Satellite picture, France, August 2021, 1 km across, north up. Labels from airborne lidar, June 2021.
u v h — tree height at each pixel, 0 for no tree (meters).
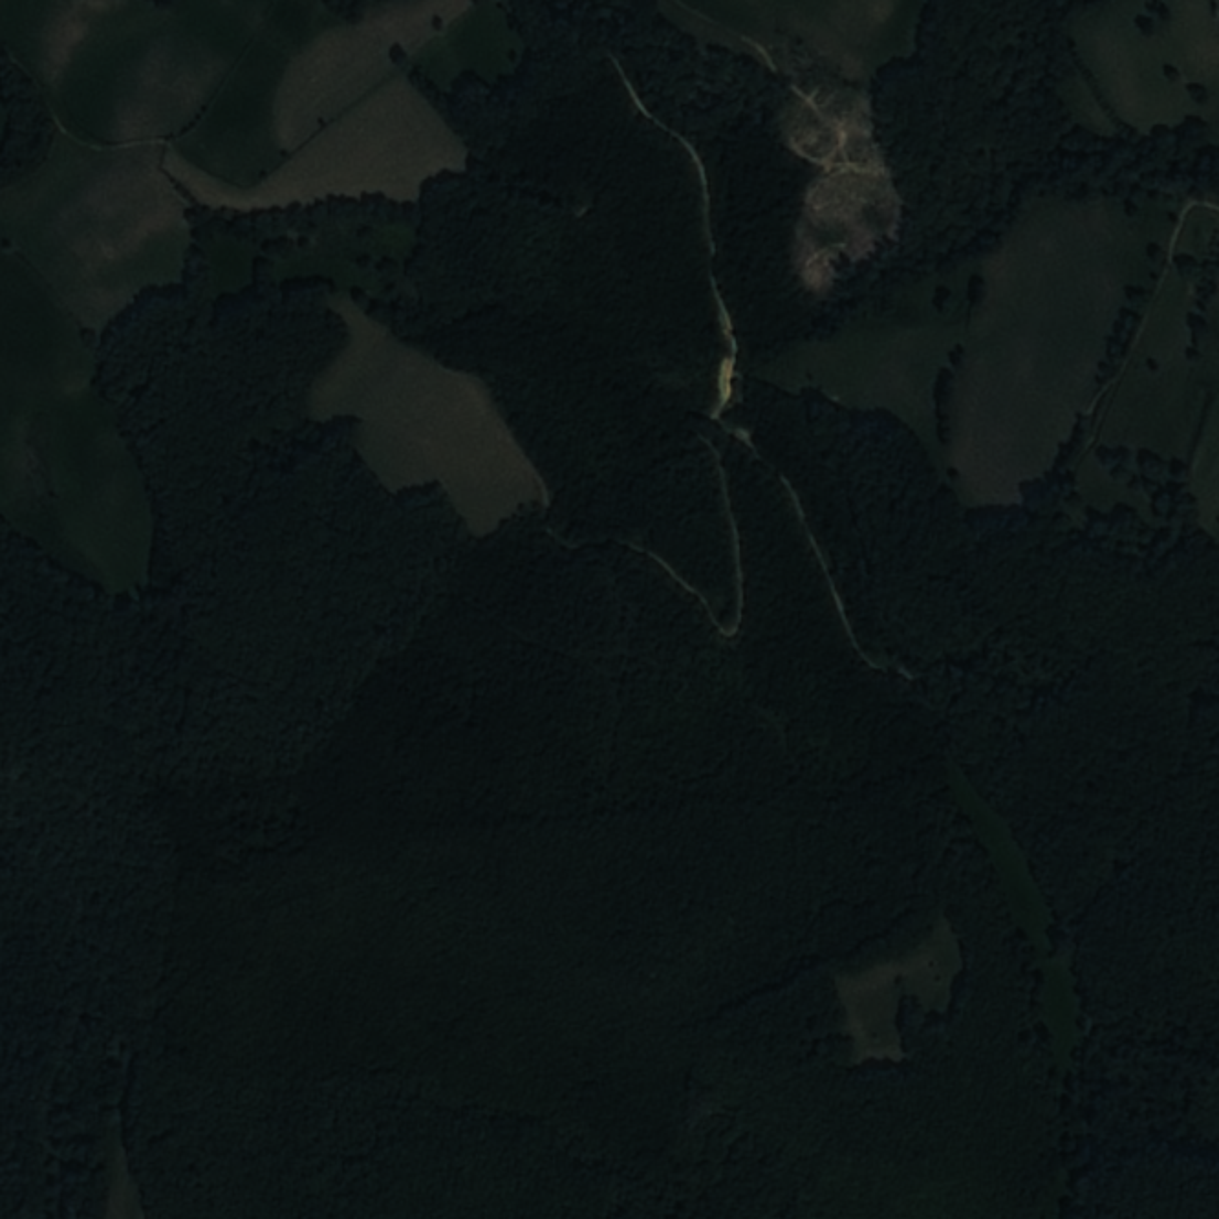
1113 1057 8
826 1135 21
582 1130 23
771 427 13
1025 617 18
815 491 7
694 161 7
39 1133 20
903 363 0
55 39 0
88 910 24
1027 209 9
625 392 14
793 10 0
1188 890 25
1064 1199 0
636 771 7
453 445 0
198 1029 17
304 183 0
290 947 19
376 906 16
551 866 13
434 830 14
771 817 17
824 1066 20
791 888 15
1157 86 0
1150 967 23
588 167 7
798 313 8
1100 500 0
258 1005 17
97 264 0
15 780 25
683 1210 23
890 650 10
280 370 21
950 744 24
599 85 13
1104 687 32
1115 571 28
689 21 0
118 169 0
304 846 8
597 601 7
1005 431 0
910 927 28
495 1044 19
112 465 0
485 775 8
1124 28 0
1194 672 30
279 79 0
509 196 19
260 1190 22
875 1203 15
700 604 7
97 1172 11
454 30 0
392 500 16
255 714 24
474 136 20
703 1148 13
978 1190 14
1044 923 0
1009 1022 29
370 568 22
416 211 16
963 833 26
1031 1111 25
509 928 14
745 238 12
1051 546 21
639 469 7
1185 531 13
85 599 19
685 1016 15
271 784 13
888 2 0
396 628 20
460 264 22
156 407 26
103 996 20
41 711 20
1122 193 20
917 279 17
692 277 13
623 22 22
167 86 0
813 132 0
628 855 17
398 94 0
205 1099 23
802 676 8
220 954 15
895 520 27
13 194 0
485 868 15
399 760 7
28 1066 26
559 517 13
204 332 25
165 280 0
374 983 20
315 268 0
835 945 17
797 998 25
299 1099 27
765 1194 15
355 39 0
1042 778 26
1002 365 0
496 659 6
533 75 21
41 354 0
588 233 9
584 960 13
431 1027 18
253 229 12
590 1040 13
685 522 6
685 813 16
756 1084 19
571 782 9
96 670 26
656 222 10
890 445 28
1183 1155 22
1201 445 0
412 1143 23
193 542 27
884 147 20
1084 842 25
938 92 19
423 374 0
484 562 12
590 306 8
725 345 7
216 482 26
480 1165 25
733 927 10
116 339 16
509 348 10
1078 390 0
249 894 13
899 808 17
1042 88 27
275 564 23
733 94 26
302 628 21
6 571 23
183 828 11
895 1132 21
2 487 0
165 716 22
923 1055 24
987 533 24
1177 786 31
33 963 27
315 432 14
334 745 12
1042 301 0
